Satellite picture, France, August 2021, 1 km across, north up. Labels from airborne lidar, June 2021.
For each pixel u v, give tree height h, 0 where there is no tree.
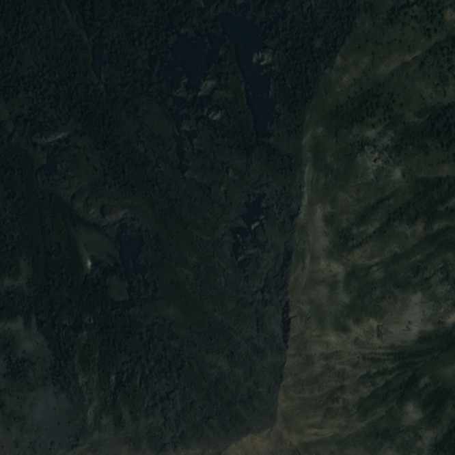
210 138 0
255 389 0
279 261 0
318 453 0
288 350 0
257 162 0
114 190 0
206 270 0
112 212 0
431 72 0
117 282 0
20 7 12
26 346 0
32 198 7
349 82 0
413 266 0
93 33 12
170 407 0
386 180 0
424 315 0
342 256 0
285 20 11
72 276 6
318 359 0
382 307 0
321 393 0
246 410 0
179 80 6
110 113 8
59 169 0
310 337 0
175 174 0
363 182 0
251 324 0
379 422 0
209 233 0
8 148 6
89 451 0
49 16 11
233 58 6
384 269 0
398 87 0
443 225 0
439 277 0
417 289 0
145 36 8
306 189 0
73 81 11
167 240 0
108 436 0
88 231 0
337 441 0
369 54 0
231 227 0
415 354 5
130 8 6
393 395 0
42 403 0
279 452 0
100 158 0
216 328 0
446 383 0
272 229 0
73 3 7
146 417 0
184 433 0
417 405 0
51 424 0
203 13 6
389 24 9
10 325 0
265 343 0
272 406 0
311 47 6
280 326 0
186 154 0
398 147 12
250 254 0
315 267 0
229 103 7
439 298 0
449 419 0
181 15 13
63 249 14
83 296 7
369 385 0
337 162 0
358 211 0
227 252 0
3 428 0
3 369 0
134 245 0
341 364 0
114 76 0
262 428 0
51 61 10
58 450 0
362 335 0
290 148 0
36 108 7
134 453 0
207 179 0
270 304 0
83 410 0
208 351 0
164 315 0
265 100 0
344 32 6
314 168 0
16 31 9
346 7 6
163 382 0
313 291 0
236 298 0
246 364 0
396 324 0
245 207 0
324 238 0
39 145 8
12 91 7
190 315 0
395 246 0
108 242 0
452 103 6
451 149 20
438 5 12
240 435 0
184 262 0
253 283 0
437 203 6
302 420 0
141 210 0
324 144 0
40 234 7
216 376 0
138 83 10
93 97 7
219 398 0
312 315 0
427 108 6
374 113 10
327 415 0
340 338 0
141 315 0
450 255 0
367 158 0
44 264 6
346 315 0
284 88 6
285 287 0
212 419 0
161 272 0
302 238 0
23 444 0
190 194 0
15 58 20
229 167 0
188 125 0
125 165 8
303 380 0
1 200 11
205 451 0
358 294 0
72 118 6
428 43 0
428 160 0
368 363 0
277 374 0
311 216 0
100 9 6
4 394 0
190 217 0
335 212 0
